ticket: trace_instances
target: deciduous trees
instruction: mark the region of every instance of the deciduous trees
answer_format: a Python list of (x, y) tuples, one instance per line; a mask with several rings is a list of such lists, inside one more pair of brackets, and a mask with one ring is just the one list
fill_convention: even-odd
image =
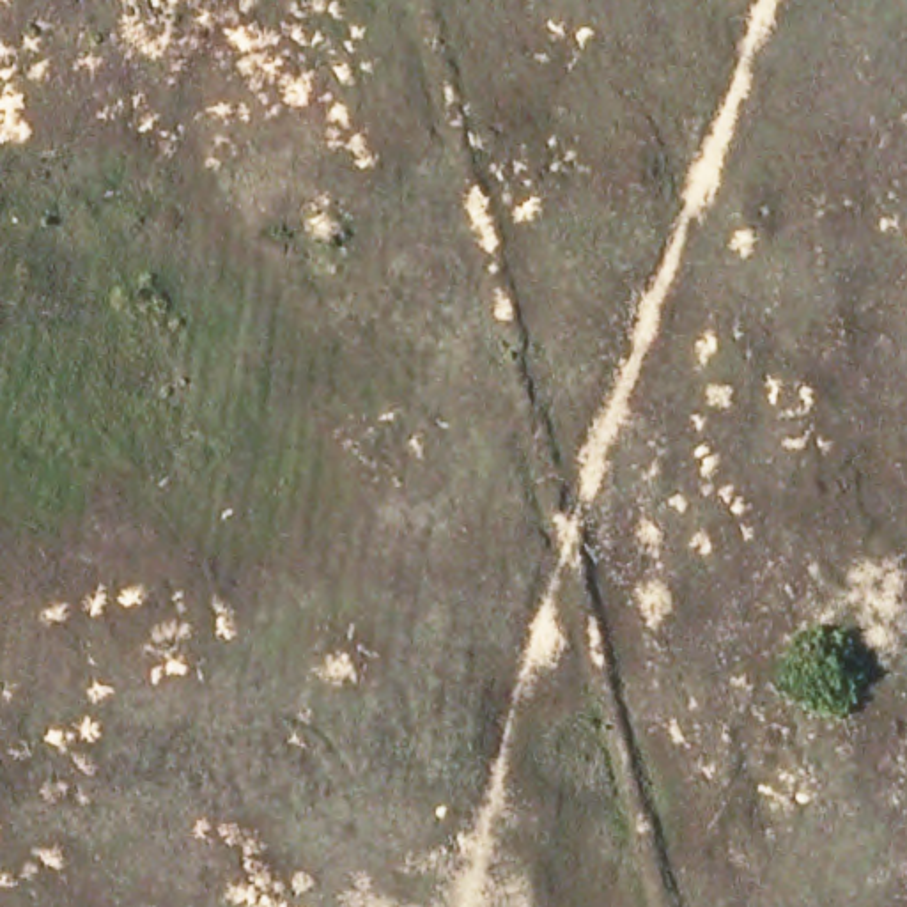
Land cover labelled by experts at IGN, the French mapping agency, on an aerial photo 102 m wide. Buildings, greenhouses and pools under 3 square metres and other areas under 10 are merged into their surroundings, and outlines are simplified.
[(804, 631), (794, 638), (794, 645), (779, 648), (772, 670), (776, 677), (783, 694), (811, 702), (815, 709), (854, 716), (868, 709), (872, 687), (882, 680), (875, 648), (864, 641), (861, 627), (822, 627)]

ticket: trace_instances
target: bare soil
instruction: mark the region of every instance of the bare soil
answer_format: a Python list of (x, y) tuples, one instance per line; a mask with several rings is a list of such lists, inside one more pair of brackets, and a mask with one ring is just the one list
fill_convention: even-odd
[(864, 641), (875, 648), (882, 680), (872, 687), (868, 709), (854, 716), (815, 709), (811, 702), (783, 694), (776, 677), (769, 684), (730, 677), (730, 709), (755, 716), (755, 726), (748, 730), (748, 769), (762, 783), (758, 794), (769, 808), (765, 829), (730, 829), (730, 861), (737, 864), (740, 879), (755, 882), (748, 907), (907, 907), (907, 570), (896, 560), (854, 567), (847, 588), (836, 592), (815, 613), (822, 627), (861, 627)]
[(92, 762), (78, 755), (78, 748), (71, 744), (81, 737), (99, 737), (99, 726), (85, 719), (67, 730), (50, 730), (46, 744), (71, 758), (78, 772), (92, 772)]
[(531, 907), (528, 868), (521, 864), (521, 857), (492, 843), (482, 882), (482, 907)]
[(599, 546), (613, 549), (613, 503), (634, 500), (641, 517), (638, 539), (648, 553), (648, 585), (638, 588), (638, 602), (648, 627), (659, 627), (659, 620), (670, 609), (670, 592), (663, 588), (666, 556), (659, 546), (659, 524), (670, 510), (684, 510), (684, 496), (670, 496), (655, 482), (659, 464), (666, 457), (666, 436), (627, 407), (627, 418), (606, 450), (606, 471), (595, 496), (581, 496), (570, 503), (567, 514), (581, 524), (581, 563), (599, 556)]
[(446, 879), (454, 889), (443, 900), (393, 903), (379, 896), (372, 889), (372, 879), (361, 872), (354, 879), (354, 889), (340, 896), (344, 907), (457, 907), (457, 879), (468, 868), (468, 857), (457, 847), (407, 854), (400, 864), (404, 875), (432, 872)]
[(0, 67), (0, 142), (25, 142), (28, 124), (18, 117), (21, 96), (14, 89), (14, 67)]
[(684, 751), (684, 762), (691, 769), (712, 776), (716, 783), (730, 783), (730, 726), (694, 723), (680, 730), (680, 723), (670, 723), (670, 740)]
[(188, 638), (188, 624), (159, 624), (142, 641), (142, 652), (159, 663), (149, 673), (152, 680), (184, 673), (184, 663), (174, 655), (167, 638)]
[(769, 379), (765, 397), (776, 418), (801, 418), (811, 411), (811, 386), (801, 390), (801, 400), (794, 407), (783, 407), (779, 379)]
[(241, 74), (248, 78), (244, 99), (230, 106), (209, 106), (213, 117), (230, 120), (266, 120), (287, 110), (291, 103), (301, 106), (308, 99), (312, 74), (326, 64), (337, 71), (340, 81), (351, 81), (347, 60), (365, 28), (354, 25), (344, 39), (301, 28), (305, 14), (340, 18), (337, 0), (124, 0), (124, 39), (138, 53), (159, 57), (170, 67), (163, 85), (177, 85), (177, 74), (191, 50), (209, 53), (216, 67), (241, 67)]
[(241, 907), (294, 907), (298, 893), (312, 886), (312, 879), (269, 879), (262, 861), (255, 857), (255, 840), (248, 840), (241, 854), (248, 886), (227, 889), (227, 896)]
[(344, 223), (340, 230), (333, 230), (329, 195), (319, 191), (308, 202), (308, 230), (315, 237), (329, 237), (333, 248), (351, 244), (354, 230)]
[(347, 106), (337, 96), (322, 92), (322, 106), (329, 110), (326, 145), (354, 152), (358, 167), (372, 167), (372, 152), (358, 135), (358, 124), (347, 117)]

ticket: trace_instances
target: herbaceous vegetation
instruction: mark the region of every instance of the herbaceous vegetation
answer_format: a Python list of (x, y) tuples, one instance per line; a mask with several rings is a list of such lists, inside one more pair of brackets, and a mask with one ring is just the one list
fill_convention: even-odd
[[(372, 879), (372, 889), (379, 896), (393, 903), (443, 900), (454, 889), (446, 879), (432, 872), (404, 875), (400, 864), (407, 854), (457, 847), (457, 836), (475, 829), (478, 808), (485, 804), (507, 709), (517, 712), (514, 751), (507, 769), (507, 804), (517, 811), (517, 826), (503, 829), (492, 843), (521, 857), (521, 864), (528, 868), (531, 907), (748, 907), (755, 882), (740, 879), (737, 864), (730, 861), (730, 829), (765, 829), (769, 808), (758, 794), (762, 783), (748, 769), (748, 730), (755, 726), (755, 716), (730, 709), (730, 677), (769, 684), (776, 677), (772, 670), (779, 648), (794, 645), (794, 638), (804, 631), (822, 627), (815, 613), (836, 592), (847, 588), (854, 567), (896, 560), (907, 570), (907, 0), (772, 0), (776, 18), (765, 43), (755, 50), (751, 89), (740, 99), (716, 195), (687, 227), (680, 266), (659, 308), (659, 329), (645, 351), (627, 407), (666, 436), (666, 457), (659, 464), (655, 482), (670, 496), (684, 496), (684, 510), (670, 510), (659, 524), (659, 546), (666, 556), (663, 588), (670, 592), (670, 609), (659, 620), (659, 627), (648, 627), (638, 602), (638, 588), (648, 585), (648, 553), (638, 539), (641, 517), (634, 500), (613, 503), (613, 549), (599, 546), (599, 556), (581, 563), (560, 563), (553, 517), (567, 514), (570, 503), (581, 496), (581, 446), (588, 443), (595, 418), (609, 404), (620, 361), (631, 354), (641, 294), (652, 287), (666, 259), (673, 220), (684, 205), (687, 174), (702, 159), (719, 106), (730, 92), (737, 50), (748, 32), (755, 0), (337, 0), (340, 18), (305, 14), (301, 28), (344, 39), (354, 25), (365, 28), (347, 60), (351, 81), (340, 81), (337, 71), (326, 64), (312, 74), (308, 99), (301, 106), (291, 103), (287, 110), (266, 120), (230, 120), (213, 117), (209, 106), (230, 106), (244, 99), (248, 78), (241, 74), (241, 67), (216, 67), (209, 53), (191, 50), (177, 74), (177, 85), (163, 85), (170, 67), (159, 57), (138, 53), (124, 39), (124, 0), (0, 0), (0, 67), (14, 67), (14, 89), (21, 96), (18, 117), (28, 124), (25, 142), (0, 142), (0, 907), (241, 907), (227, 896), (227, 889), (248, 886), (241, 854), (248, 840), (255, 840), (255, 857), (262, 861), (269, 879), (312, 879), (312, 886), (298, 893), (294, 907), (344, 907), (340, 896), (354, 889), (354, 879), (361, 872)], [(347, 117), (358, 124), (358, 135), (372, 152), (372, 167), (358, 167), (354, 152), (326, 145), (329, 110), (322, 106), (322, 92), (337, 96), (347, 106)], [(482, 259), (485, 248), (478, 244), (478, 234), (468, 216), (468, 195), (475, 188), (485, 195), (485, 209), (496, 227), (500, 273), (489, 273)], [(329, 237), (315, 237), (308, 230), (308, 202), (319, 191), (329, 195), (333, 230), (340, 230), (344, 223), (354, 230), (351, 244), (333, 248)], [(801, 390), (811, 386), (811, 411), (801, 418), (776, 418), (765, 397), (769, 379), (779, 379), (783, 407), (794, 407), (801, 400)], [(553, 666), (542, 666), (535, 673), (531, 694), (514, 698), (510, 691), (524, 648), (531, 641), (531, 624), (539, 616), (549, 574), (560, 578), (556, 627), (563, 634), (563, 648), (553, 655)], [(184, 663), (184, 673), (152, 680), (149, 673), (159, 663), (142, 652), (142, 641), (159, 624), (188, 624), (188, 638), (167, 638), (174, 655)], [(99, 726), (99, 737), (81, 737), (71, 744), (78, 748), (78, 755), (92, 762), (92, 772), (78, 772), (71, 758), (46, 744), (50, 730), (67, 730), (85, 719)], [(694, 723), (730, 726), (730, 783), (716, 783), (712, 776), (691, 769), (684, 762), (684, 751), (670, 740), (670, 723), (680, 723), (680, 730)], [(638, 808), (648, 818), (648, 833), (634, 833), (620, 811), (616, 765), (609, 744), (602, 740), (606, 730), (620, 730), (627, 744), (631, 779)]]

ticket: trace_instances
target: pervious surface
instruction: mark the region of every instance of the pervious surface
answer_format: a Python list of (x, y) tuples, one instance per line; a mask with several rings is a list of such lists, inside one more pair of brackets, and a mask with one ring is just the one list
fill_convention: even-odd
[(524, 648), (510, 691), (514, 698), (531, 694), (535, 673), (542, 666), (553, 666), (553, 655), (563, 648), (563, 634), (556, 627), (560, 578), (549, 574), (539, 616), (531, 624), (531, 641)]
[(581, 563), (581, 524), (567, 514), (553, 517), (560, 563)]
[(507, 709), (485, 804), (478, 808), (475, 829), (457, 836), (457, 847), (468, 857), (468, 868), (457, 879), (457, 907), (482, 907), (482, 882), (492, 843), (503, 829), (517, 826), (517, 811), (507, 804), (507, 769), (514, 751), (517, 712)]
[(595, 418), (588, 443), (581, 446), (581, 496), (595, 496), (606, 471), (606, 450), (627, 418), (627, 407), (645, 351), (659, 329), (659, 308), (680, 266), (687, 227), (716, 195), (740, 99), (751, 89), (755, 50), (765, 43), (776, 18), (772, 0), (755, 0), (748, 32), (737, 50), (730, 92), (719, 106), (702, 159), (687, 174), (684, 205), (673, 220), (666, 259), (652, 287), (641, 294), (631, 354), (620, 361), (609, 404)]
[(468, 216), (478, 234), (478, 244), (485, 248), (482, 259), (489, 273), (500, 273), (496, 227), (485, 209), (485, 195), (475, 188), (468, 195)]
[(602, 740), (609, 744), (616, 765), (620, 811), (634, 833), (648, 833), (648, 818), (638, 808), (631, 779), (627, 744), (620, 730), (606, 730)]

